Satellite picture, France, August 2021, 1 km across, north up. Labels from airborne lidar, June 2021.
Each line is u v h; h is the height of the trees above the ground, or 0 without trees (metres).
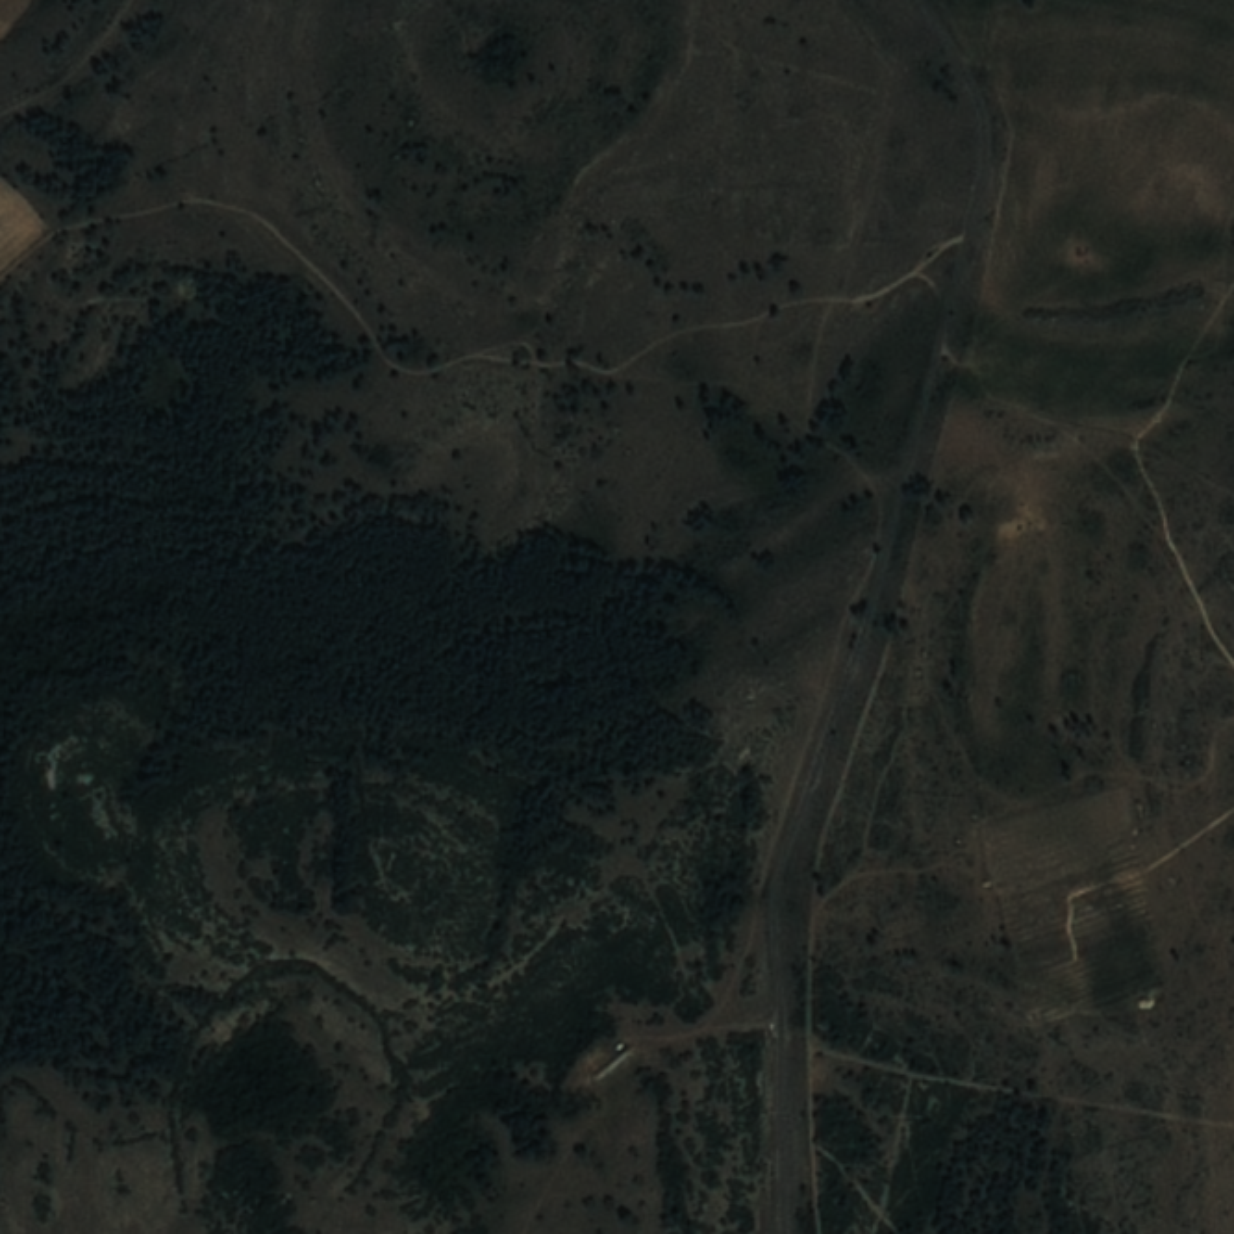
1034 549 0
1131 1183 0
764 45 0
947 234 0
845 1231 0
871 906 0
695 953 0
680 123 0
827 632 0
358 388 9
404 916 0
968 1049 0
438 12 0
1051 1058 0
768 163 0
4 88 0
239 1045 6
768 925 0
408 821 0
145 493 10
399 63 0
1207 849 0
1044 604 0
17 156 0
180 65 0
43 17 0
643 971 0
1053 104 0
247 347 15
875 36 0
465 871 0
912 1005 0
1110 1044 0
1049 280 0
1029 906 0
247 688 13
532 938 0
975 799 0
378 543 16
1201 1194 0
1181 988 0
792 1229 0
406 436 0
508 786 0
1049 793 0
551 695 16
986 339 0
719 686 0
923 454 0
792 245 0
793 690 0
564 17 0
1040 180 0
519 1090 9
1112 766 0
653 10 0
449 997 0
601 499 0
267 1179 7
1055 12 0
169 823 0
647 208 0
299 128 0
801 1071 0
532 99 0
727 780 0
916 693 0
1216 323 0
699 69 0
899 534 0
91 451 10
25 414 7
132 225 0
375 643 14
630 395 8
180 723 13
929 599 0
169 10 0
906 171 0
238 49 0
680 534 0
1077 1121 0
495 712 19
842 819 0
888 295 0
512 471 0
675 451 0
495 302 0
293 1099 8
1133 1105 0
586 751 9
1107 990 0
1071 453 0
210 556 10
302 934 0
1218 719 0
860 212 0
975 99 0
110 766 0
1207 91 0
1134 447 0
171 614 15
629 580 13
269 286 13
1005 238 0
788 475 8
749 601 0
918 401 0
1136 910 0
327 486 0
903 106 0
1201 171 0
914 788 0
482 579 15
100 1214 0
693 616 0
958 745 0
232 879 0
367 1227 0
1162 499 0
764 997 0
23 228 0
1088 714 0
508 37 10
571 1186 0
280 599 15
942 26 0
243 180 0
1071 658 0
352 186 0
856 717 0
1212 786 0
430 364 7
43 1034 14
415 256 0
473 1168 7
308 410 0
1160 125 0
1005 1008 0
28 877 11
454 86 0
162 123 0
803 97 0
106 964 13
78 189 11
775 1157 0
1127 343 0
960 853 0
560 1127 0
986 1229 8
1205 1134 0
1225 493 0
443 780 0
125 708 0
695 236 0
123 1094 8
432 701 13
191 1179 0
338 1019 0
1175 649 0
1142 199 0
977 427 0
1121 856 0
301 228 0
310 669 12
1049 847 0
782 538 0
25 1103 0
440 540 15
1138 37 0
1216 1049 0
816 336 0
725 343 0
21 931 17
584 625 17
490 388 0
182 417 13
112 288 8
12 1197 0
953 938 0
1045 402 0
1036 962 0
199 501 7
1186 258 0
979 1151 9
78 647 10
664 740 10
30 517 9
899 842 0
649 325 0
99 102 0
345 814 15
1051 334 0
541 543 16
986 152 0
